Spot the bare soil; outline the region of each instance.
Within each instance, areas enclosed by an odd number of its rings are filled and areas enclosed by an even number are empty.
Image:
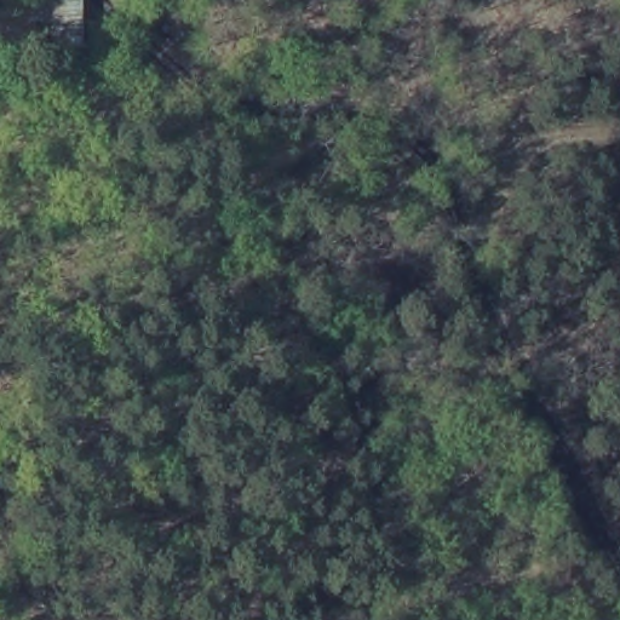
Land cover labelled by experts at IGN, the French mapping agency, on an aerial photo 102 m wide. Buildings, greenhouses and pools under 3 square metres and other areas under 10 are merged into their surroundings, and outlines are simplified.
[[[82,0],[82,19],[78,24],[82,29],[82,39],[92,41],[104,29],[104,17],[111,10],[111,0]]]
[[[186,44],[172,44],[167,36],[157,36],[150,29],[150,44],[140,61],[145,65],[153,65],[160,78],[184,78],[189,75],[189,63],[194,61],[194,58],[196,58],[186,51]]]
[[[567,128],[535,128],[533,133],[516,138],[516,148],[526,150],[523,170],[533,170],[547,162],[552,145],[605,145],[620,138],[620,116],[615,114],[610,121],[581,121],[579,121],[569,124]]]
[[[499,172],[496,182],[482,194],[482,199],[492,216],[506,201],[506,191],[516,184],[518,174],[513,170]]]

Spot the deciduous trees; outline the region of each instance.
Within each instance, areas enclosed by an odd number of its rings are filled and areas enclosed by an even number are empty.
[[[19,487],[31,494],[39,494],[41,482],[56,470],[56,450],[27,448],[29,438],[34,438],[46,424],[44,407],[31,404],[31,380],[27,380],[22,373],[0,375],[0,499],[10,501],[10,494],[15,494]]]
[[[516,247],[501,235],[487,242],[480,249],[480,262],[499,271],[504,266],[511,266]]]
[[[12,586],[15,579],[24,574],[17,555],[7,564],[0,559],[0,591]]]

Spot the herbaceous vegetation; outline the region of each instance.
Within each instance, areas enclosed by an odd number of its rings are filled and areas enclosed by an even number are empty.
[[[363,39],[356,27],[334,27],[329,22],[327,12],[339,0],[266,0],[266,22],[262,31],[276,31],[281,39],[288,39],[293,34],[293,12],[295,7],[305,5],[305,27],[322,48],[327,44],[358,44]]]
[[[601,46],[603,36],[615,36],[620,41],[620,0],[596,0],[591,7],[567,15],[562,5],[545,7],[545,0],[426,0],[424,5],[409,5],[404,19],[385,34],[383,56],[375,63],[373,75],[368,78],[373,85],[385,90],[383,97],[388,99],[392,116],[402,111],[404,102],[417,90],[434,90],[426,61],[441,53],[448,34],[460,34],[465,31],[465,27],[477,24],[477,41],[482,48],[489,48],[487,75],[494,82],[494,97],[480,97],[480,124],[501,124],[516,102],[511,87],[516,78],[511,75],[511,63],[523,61],[523,46],[518,39],[523,29],[545,29],[547,48],[557,48],[564,61],[581,58],[581,48],[589,48],[591,44]]]

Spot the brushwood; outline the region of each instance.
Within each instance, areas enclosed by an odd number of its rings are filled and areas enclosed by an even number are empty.
[[[252,388],[262,375],[259,368],[249,366],[233,378],[233,383],[242,390]]]
[[[170,145],[174,145],[182,138],[194,138],[203,140],[208,150],[220,148],[216,136],[218,111],[203,107],[201,114],[172,114],[157,128],[160,138]]]
[[[191,327],[203,322],[203,305],[194,293],[196,283],[203,279],[208,281],[211,291],[216,291],[223,279],[220,259],[233,249],[233,240],[225,235],[220,218],[201,208],[179,228],[182,242],[194,249],[194,262],[179,264],[172,257],[167,257],[165,262],[172,303],[179,310],[182,320]]]
[[[463,499],[467,506],[482,504],[480,487],[489,475],[489,467],[475,463],[458,467],[455,475],[448,480],[448,487],[431,496],[429,506],[436,516],[450,509],[458,499]]]
[[[92,487],[99,496],[97,504],[102,509],[102,523],[119,523],[124,530],[128,530],[136,523],[150,523],[155,526],[155,533],[172,530],[174,535],[184,533],[186,528],[206,528],[208,518],[213,516],[211,494],[203,480],[199,455],[191,453],[184,460],[191,487],[191,504],[186,506],[174,499],[172,492],[165,494],[165,504],[155,504],[140,489],[133,487],[133,475],[128,465],[109,463],[94,477]]]
[[[337,598],[325,584],[310,584],[322,605],[322,620],[354,620],[346,601]]]
[[[157,36],[167,36],[172,44],[186,44],[191,39],[191,27],[189,22],[174,15],[160,15],[150,29]]]
[[[245,492],[237,484],[230,484],[225,492],[228,538],[240,545],[245,540]]]
[[[24,574],[15,579],[12,586],[0,591],[0,601],[15,615],[22,615],[34,603],[53,605],[53,601],[58,598],[58,586],[34,586],[31,579]]]
[[[199,82],[201,78],[206,78],[208,73],[211,73],[211,68],[208,68],[208,65],[203,65],[201,61],[199,61],[199,58],[196,58],[194,58],[194,61],[189,63],[189,75],[184,78],[184,80],[191,80],[191,82]]]
[[[0,269],[12,254],[17,235],[12,228],[0,228]]]
[[[109,419],[82,419],[78,426],[78,450],[82,458],[90,458],[102,448],[102,438],[111,436],[116,426]]]
[[[540,90],[540,85],[545,82],[545,70],[538,68],[535,53],[530,51],[530,46],[523,46],[523,61],[511,63],[511,75],[516,78],[528,80],[533,90]]]
[[[308,276],[332,276],[334,288],[329,293],[334,298],[346,300],[349,305],[361,305],[371,317],[383,317],[392,312],[407,295],[421,293],[436,279],[436,249],[417,252],[409,245],[392,245],[368,233],[358,233],[346,235],[341,240],[344,252],[334,257],[320,257],[320,230],[312,225],[310,230],[303,230],[295,237],[288,237],[286,247],[279,252],[279,259],[283,257],[291,264],[298,264]]]
[[[53,240],[41,240],[41,247],[31,247],[31,257],[15,266],[15,276],[10,281],[2,281],[0,276],[0,339],[10,325],[10,317],[17,315],[15,310],[19,288],[29,283],[36,288],[51,288],[51,279],[36,276],[34,271],[44,264],[46,257],[58,252],[61,242],[85,240],[85,233],[80,223],[65,223],[53,228]]]
[[[58,320],[41,317],[36,322],[36,332],[48,339],[56,337],[73,354],[75,368],[90,368],[104,378],[104,373],[109,371],[107,356],[97,354],[90,337],[85,337],[82,332],[73,332],[68,327],[80,303],[87,300],[87,291],[78,286],[68,295],[68,300],[56,298],[53,305],[61,310]]]
[[[121,320],[128,325],[143,317],[143,288],[133,283],[121,295]]]
[[[186,385],[174,385],[165,395],[153,397],[153,388],[157,380],[150,373],[150,366],[136,354],[128,358],[128,371],[140,383],[143,404],[157,407],[162,412],[165,429],[157,431],[155,441],[170,448],[182,438],[182,431],[186,426],[189,409],[182,404],[182,397],[196,395],[206,375],[201,363],[191,354],[167,351],[162,361],[172,373],[186,373],[191,378]]]
[[[576,94],[567,97],[557,107],[559,116],[579,116],[579,121],[581,121],[584,104],[589,102],[593,82],[608,87],[610,94],[620,102],[620,70],[603,70],[601,46],[591,44],[589,48],[581,48],[581,58],[584,73],[579,78]]]
[[[480,124],[480,97],[494,97],[494,82],[487,75],[489,48],[482,48],[477,41],[477,24],[465,27],[465,31],[460,34],[463,44],[455,53],[455,73],[463,87],[470,92],[467,102],[448,104],[441,97],[441,92],[434,90],[417,90],[404,102],[402,111],[392,116],[388,138],[395,145],[395,165],[390,165],[383,174],[385,184],[380,184],[358,206],[366,220],[388,228],[407,206],[412,206],[409,194],[402,194],[400,186],[402,182],[414,177],[417,170],[434,165],[438,160],[441,153],[436,148],[436,138],[441,131],[472,126],[470,138],[477,153],[484,160],[494,162],[499,172],[513,170],[518,174],[523,170],[526,150],[516,148],[516,138],[533,133],[535,128],[530,121],[533,104],[523,97],[516,102],[501,124]]]
[[[295,286],[286,276],[281,276],[274,269],[257,276],[254,269],[247,264],[245,276],[235,281],[225,305],[237,310],[240,325],[245,327],[262,322],[274,337],[274,341],[286,346],[288,358],[295,358],[305,366],[325,368],[322,380],[315,380],[312,375],[295,378],[291,373],[276,378],[262,392],[264,409],[283,414],[291,424],[298,424],[308,417],[315,397],[320,397],[332,383],[339,380],[339,397],[334,397],[334,402],[325,409],[329,421],[315,436],[315,450],[325,455],[325,511],[315,513],[312,506],[305,504],[303,530],[288,540],[288,545],[295,547],[303,557],[310,557],[312,562],[341,557],[344,545],[320,545],[317,530],[327,526],[334,516],[341,492],[349,492],[354,494],[354,504],[349,513],[368,511],[378,533],[385,535],[388,545],[397,555],[392,581],[419,586],[421,581],[446,581],[453,593],[465,598],[467,603],[475,603],[482,593],[492,593],[496,601],[504,601],[509,593],[513,593],[513,589],[521,586],[523,576],[540,576],[545,591],[557,596],[581,589],[586,603],[593,610],[593,620],[610,620],[608,603],[596,593],[596,586],[589,579],[589,574],[574,562],[550,579],[543,576],[543,564],[530,559],[528,569],[511,569],[511,574],[501,581],[484,564],[484,557],[494,538],[504,530],[506,523],[506,518],[499,513],[489,521],[487,528],[477,530],[477,540],[472,545],[463,550],[465,567],[458,574],[453,569],[446,569],[438,559],[424,559],[421,530],[409,526],[407,518],[412,506],[412,492],[404,487],[404,482],[388,494],[378,482],[368,489],[361,489],[351,482],[349,460],[378,434],[383,417],[390,409],[388,400],[400,388],[404,388],[404,378],[409,373],[424,371],[431,378],[436,378],[438,366],[443,363],[443,344],[436,344],[426,332],[412,334],[400,317],[390,325],[390,332],[395,334],[400,349],[397,363],[388,363],[385,354],[375,351],[373,366],[378,371],[363,363],[349,366],[346,351],[329,334],[312,329],[310,322],[305,327],[288,325],[291,312],[298,308],[298,295]]]
[[[467,351],[472,356],[492,358],[511,356],[518,371],[528,378],[528,388],[523,392],[518,412],[523,419],[540,421],[545,431],[552,436],[547,463],[562,477],[562,487],[572,509],[569,518],[574,523],[574,530],[584,538],[584,545],[598,552],[603,564],[618,574],[620,584],[620,419],[615,421],[608,417],[591,417],[589,397],[601,380],[615,380],[620,385],[620,339],[605,339],[586,320],[586,295],[579,291],[574,281],[567,281],[562,274],[547,274],[545,286],[550,291],[550,317],[540,325],[540,339],[530,339],[523,332],[521,322],[528,312],[540,308],[540,298],[533,291],[516,291],[511,295],[504,295],[504,276],[499,271],[480,262],[480,249],[487,242],[487,228],[492,225],[492,216],[482,199],[472,201],[470,194],[463,191],[460,182],[453,179],[448,184],[453,199],[450,206],[441,206],[436,213],[424,216],[424,220],[434,230],[441,230],[458,247],[458,266],[463,269],[465,283],[477,300],[477,310],[487,317],[484,332],[467,334]],[[586,436],[591,429],[605,431],[613,441],[605,455],[586,453]]]
[[[245,174],[242,194],[247,199],[257,199],[266,208],[279,196],[303,189],[308,184],[312,167],[332,155],[332,145],[317,136],[317,124],[325,119],[339,119],[346,126],[351,119],[358,116],[356,104],[349,99],[351,78],[339,75],[337,90],[329,99],[322,102],[291,99],[283,104],[266,104],[257,90],[252,90],[240,102],[235,102],[237,114],[274,116],[274,126],[264,136],[247,136],[240,143]]]

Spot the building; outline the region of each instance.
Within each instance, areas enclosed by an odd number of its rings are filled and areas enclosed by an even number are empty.
[[[82,19],[82,0],[41,0],[29,17],[29,27],[34,29],[34,34],[39,34],[46,44],[61,44],[70,51],[82,39],[82,29],[78,24]]]

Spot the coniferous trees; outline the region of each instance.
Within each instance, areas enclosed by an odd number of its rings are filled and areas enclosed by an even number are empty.
[[[610,94],[608,87],[593,82],[589,102],[584,104],[581,121],[610,121],[615,114],[620,116],[620,102]]]
[[[441,97],[448,104],[467,102],[470,92],[463,87],[455,73],[455,53],[463,44],[460,34],[448,34],[441,53],[426,61],[434,90],[441,92]]]
[[[559,116],[557,107],[567,97],[576,94],[579,78],[584,73],[581,58],[564,61],[557,48],[547,48],[545,29],[523,29],[518,39],[523,46],[530,46],[530,51],[535,53],[538,68],[545,70],[545,82],[540,85],[540,90],[533,90],[528,80],[516,78],[511,87],[516,102],[523,97],[533,104],[530,121],[535,128],[567,128],[569,124],[579,121],[579,116]]]
[[[608,417],[615,421],[620,419],[620,385],[615,380],[601,380],[589,397],[591,417]]]
[[[603,36],[601,46],[603,70],[620,70],[620,41],[615,36]]]
[[[579,291],[586,295],[586,320],[605,339],[620,339],[620,138],[605,145],[552,145],[547,162],[533,170],[523,170],[518,174],[516,184],[506,191],[506,201],[492,216],[492,225],[487,228],[487,242],[501,235],[516,247],[511,266],[504,266],[499,271],[504,276],[504,295],[511,295],[516,291],[533,291],[540,298],[540,308],[528,312],[521,322],[523,332],[530,339],[540,339],[540,325],[550,317],[550,291],[545,286],[547,274],[562,274],[567,281],[574,281]]]
[[[441,230],[434,230],[424,220],[424,216],[436,213],[441,206],[450,206],[453,199],[448,184],[453,179],[460,182],[463,191],[470,194],[472,201],[482,199],[482,194],[496,182],[499,172],[494,162],[484,160],[477,153],[470,138],[472,126],[441,131],[436,138],[436,148],[441,153],[438,160],[434,165],[417,170],[414,177],[402,182],[400,186],[402,194],[409,194],[412,206],[407,206],[388,228],[366,220],[358,206],[380,184],[385,184],[383,174],[390,165],[395,165],[395,145],[388,138],[392,116],[388,99],[383,97],[385,90],[373,85],[368,78],[373,75],[375,63],[383,56],[385,34],[404,19],[409,5],[424,5],[426,0],[339,0],[327,12],[329,22],[334,27],[356,27],[363,39],[358,44],[327,44],[322,48],[305,27],[305,5],[295,7],[293,12],[293,34],[288,39],[281,39],[276,31],[262,31],[266,22],[266,0],[111,0],[111,10],[104,17],[104,29],[92,41],[82,39],[70,51],[61,44],[46,44],[39,34],[34,34],[34,29],[29,27],[29,17],[41,0],[0,0],[0,228],[12,228],[17,235],[12,254],[0,269],[0,276],[2,281],[10,281],[15,276],[15,266],[31,257],[31,247],[41,247],[41,240],[53,240],[53,228],[65,223],[80,223],[85,233],[85,240],[61,242],[58,252],[46,257],[44,264],[34,271],[36,276],[51,279],[51,288],[36,288],[29,283],[19,288],[15,310],[17,315],[10,317],[10,325],[0,339],[0,375],[22,373],[27,380],[31,380],[31,404],[44,407],[46,424],[34,438],[29,438],[27,448],[56,450],[56,470],[41,482],[39,494],[31,494],[19,487],[15,494],[10,494],[10,501],[0,499],[0,559],[7,564],[17,555],[24,574],[31,579],[34,586],[58,586],[58,598],[53,601],[53,605],[34,603],[22,615],[15,615],[0,601],[0,620],[322,620],[322,605],[310,584],[325,584],[337,598],[346,601],[354,620],[593,620],[593,610],[586,603],[581,589],[557,596],[545,591],[540,576],[523,576],[521,586],[513,589],[513,593],[509,593],[504,601],[496,601],[492,593],[482,593],[475,603],[467,603],[465,598],[453,593],[446,581],[421,581],[419,586],[392,581],[397,555],[388,545],[385,535],[378,533],[368,511],[349,513],[354,504],[354,494],[349,492],[341,492],[334,516],[327,526],[317,530],[320,545],[344,545],[341,557],[312,562],[310,557],[303,557],[295,547],[288,545],[288,540],[303,530],[305,504],[312,506],[315,513],[325,511],[325,455],[315,450],[315,436],[329,421],[325,409],[334,402],[334,397],[339,397],[339,380],[332,383],[320,397],[315,397],[308,417],[298,424],[291,424],[283,414],[264,409],[262,392],[276,378],[291,373],[295,378],[312,375],[315,380],[322,380],[325,368],[305,366],[295,358],[288,358],[286,346],[274,341],[274,337],[262,322],[245,327],[240,325],[237,310],[225,305],[235,281],[245,276],[247,264],[254,269],[257,276],[274,269],[281,276],[286,276],[295,286],[298,295],[298,308],[291,312],[288,325],[305,327],[310,322],[312,329],[329,334],[346,351],[349,366],[363,363],[378,371],[373,366],[375,351],[385,354],[388,363],[397,363],[400,349],[395,334],[390,332],[390,325],[400,317],[412,334],[426,332],[436,344],[443,344],[443,363],[438,366],[436,378],[431,378],[424,371],[409,373],[404,378],[404,388],[400,388],[388,400],[390,409],[383,417],[378,434],[349,460],[351,482],[361,489],[368,489],[378,482],[388,494],[404,482],[404,487],[412,492],[412,506],[407,518],[409,526],[421,530],[424,559],[438,559],[446,569],[453,569],[458,574],[465,567],[463,550],[472,545],[477,540],[477,530],[487,528],[489,521],[499,513],[506,518],[506,523],[504,530],[494,538],[484,557],[484,564],[501,581],[511,574],[511,569],[528,569],[530,559],[543,564],[543,576],[550,579],[574,562],[589,574],[589,579],[596,586],[596,593],[608,603],[610,620],[620,620],[620,584],[618,574],[603,564],[598,552],[584,545],[584,538],[574,530],[574,523],[569,518],[572,509],[562,487],[562,477],[547,463],[552,436],[545,431],[540,421],[523,419],[518,412],[523,392],[528,388],[528,378],[518,371],[511,356],[492,358],[472,356],[467,351],[467,334],[484,332],[487,317],[477,310],[477,300],[465,283],[463,269],[458,266],[458,247]],[[208,73],[206,78],[201,78],[199,82],[191,82],[191,80],[184,80],[184,78],[160,78],[153,65],[145,65],[140,61],[150,44],[150,29],[160,15],[174,15],[189,22],[191,27],[191,39],[186,44],[186,51],[196,58],[199,58],[199,61],[201,61],[203,65],[208,65],[208,68],[211,68],[211,73]],[[257,90],[266,104],[283,104],[291,99],[322,102],[329,99],[337,90],[339,75],[351,78],[349,99],[356,104],[358,116],[351,119],[346,126],[339,119],[325,119],[317,124],[317,136],[332,145],[332,155],[312,167],[308,184],[303,189],[279,196],[266,208],[257,199],[247,199],[242,194],[245,174],[240,143],[247,136],[264,136],[274,126],[274,116],[237,114],[235,102],[240,102],[252,90]],[[216,136],[220,148],[208,150],[203,140],[194,138],[182,138],[174,145],[170,145],[160,138],[157,128],[172,114],[201,114],[203,107],[218,111]],[[194,262],[194,249],[182,242],[179,228],[201,208],[220,218],[225,235],[233,240],[233,249],[220,259],[223,279],[216,291],[211,291],[208,281],[203,279],[196,283],[194,293],[203,305],[203,322],[191,327],[182,320],[179,310],[172,303],[165,262],[167,257],[172,257],[179,264]],[[332,276],[308,276],[298,264],[291,264],[283,257],[279,259],[279,252],[286,247],[288,237],[295,237],[303,230],[310,230],[312,225],[320,230],[320,257],[334,257],[344,252],[341,240],[346,235],[358,233],[368,233],[392,245],[409,245],[417,252],[436,249],[436,279],[421,293],[407,295],[392,312],[383,317],[371,317],[361,305],[349,305],[346,300],[334,298],[329,293],[334,288]],[[121,295],[133,283],[143,288],[143,317],[128,325],[121,320]],[[90,337],[97,354],[107,356],[109,371],[104,373],[104,378],[90,368],[75,368],[73,354],[56,337],[48,339],[36,332],[36,322],[41,317],[58,320],[61,310],[53,305],[56,298],[68,300],[68,295],[78,286],[87,291],[87,300],[80,303],[68,327],[73,332],[82,332],[85,337]],[[186,426],[182,431],[182,438],[170,448],[155,441],[157,431],[165,429],[162,412],[157,407],[143,404],[140,383],[128,371],[128,358],[136,354],[150,366],[150,373],[157,380],[153,388],[153,397],[165,395],[174,385],[186,385],[191,378],[186,373],[172,373],[162,361],[167,351],[191,354],[201,363],[206,375],[196,395],[182,397],[182,404],[189,409]],[[233,383],[233,378],[249,366],[259,368],[262,375],[252,388],[242,390]],[[102,448],[90,458],[82,458],[78,450],[78,426],[82,419],[109,419],[116,426],[111,436],[102,438]],[[213,516],[208,518],[206,528],[186,528],[184,533],[174,535],[172,530],[155,533],[155,526],[150,523],[136,523],[128,530],[124,530],[119,523],[102,523],[102,509],[97,504],[99,496],[92,487],[94,477],[109,463],[128,465],[133,475],[133,487],[140,489],[155,504],[165,504],[165,494],[172,492],[174,499],[186,506],[191,504],[191,487],[184,460],[191,453],[199,455],[203,480],[211,494]],[[458,499],[450,509],[436,516],[429,506],[431,496],[448,487],[448,480],[455,475],[458,467],[475,463],[489,467],[489,475],[480,487],[482,504],[467,506],[463,499]],[[225,492],[230,484],[237,484],[245,492],[245,540],[240,545],[228,538]]]
[[[545,0],[545,7],[562,5],[567,15],[591,7],[596,0]]]
[[[586,453],[605,455],[613,441],[605,431],[591,429],[586,436]]]

